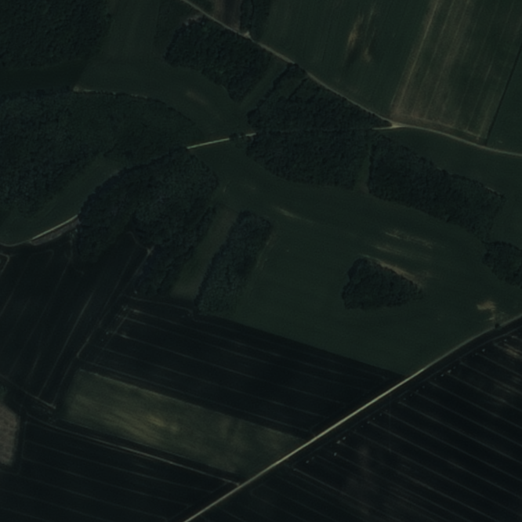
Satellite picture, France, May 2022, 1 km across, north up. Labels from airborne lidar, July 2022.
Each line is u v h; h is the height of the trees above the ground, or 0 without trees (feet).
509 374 0
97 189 0
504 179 0
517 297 0
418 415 0
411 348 0
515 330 0
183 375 0
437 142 0
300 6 0
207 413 0
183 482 0
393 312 0
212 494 0
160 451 0
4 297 0
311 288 0
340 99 34
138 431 0
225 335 0
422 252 0
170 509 0
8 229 0
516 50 0
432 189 62
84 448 0
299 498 0
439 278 0
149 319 0
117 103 47
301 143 55
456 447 0
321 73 0
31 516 0
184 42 62
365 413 0
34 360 0
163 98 0
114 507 0
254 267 57
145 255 0
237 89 63
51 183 84
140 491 0
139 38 0
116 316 0
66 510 0
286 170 41
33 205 80
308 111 25
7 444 0
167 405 0
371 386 0
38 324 0
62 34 50
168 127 46
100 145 45
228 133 0
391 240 0
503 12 0
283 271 0
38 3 47
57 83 0
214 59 52
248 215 69
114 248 0
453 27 0
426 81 0
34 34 51
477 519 0
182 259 68
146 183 94
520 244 0
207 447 0
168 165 78
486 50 0
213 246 0
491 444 0
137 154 36
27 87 0
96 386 0
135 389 0
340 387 0
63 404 0
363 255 0
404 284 66
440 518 0
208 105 0
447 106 0
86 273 0
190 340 0
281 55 0
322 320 0
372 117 30
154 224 84
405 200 56
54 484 0
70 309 0
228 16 0
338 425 0
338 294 0
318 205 0
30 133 76
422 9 0
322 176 39
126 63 0
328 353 0
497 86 0
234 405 0
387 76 0
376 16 0
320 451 0
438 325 0
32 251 0
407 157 71
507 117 0
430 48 0
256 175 0
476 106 0
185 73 0
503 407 0
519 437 0
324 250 0
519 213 0
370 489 0
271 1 21
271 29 0
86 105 45
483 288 0
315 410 0
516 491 0
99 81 0
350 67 0
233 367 0
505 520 0
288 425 0
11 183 78
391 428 0
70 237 0
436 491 0
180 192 93
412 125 0
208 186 74
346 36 0
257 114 42
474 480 0
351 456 0
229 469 0
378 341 0
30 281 0
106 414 0
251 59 43
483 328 0
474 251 0
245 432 0
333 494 0
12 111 69
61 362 0
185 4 22
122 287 0
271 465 0
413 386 0
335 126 48
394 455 0
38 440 0
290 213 0
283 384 0
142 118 37
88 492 0
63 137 88
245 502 0
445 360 0
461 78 0
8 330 0
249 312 0
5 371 0
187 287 0
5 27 46
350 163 59
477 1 0
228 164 0
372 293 71
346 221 0
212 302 71
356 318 0
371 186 51
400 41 0
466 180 55
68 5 38
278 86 52
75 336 0
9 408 0
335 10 0
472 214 62
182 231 73
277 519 0
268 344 0
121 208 88
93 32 49
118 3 0
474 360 0
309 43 0
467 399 0
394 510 0
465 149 0
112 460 0
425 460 0
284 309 0
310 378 0
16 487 0
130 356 0
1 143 70
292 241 0
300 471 0
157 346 0
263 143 53
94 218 87
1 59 51
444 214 43
